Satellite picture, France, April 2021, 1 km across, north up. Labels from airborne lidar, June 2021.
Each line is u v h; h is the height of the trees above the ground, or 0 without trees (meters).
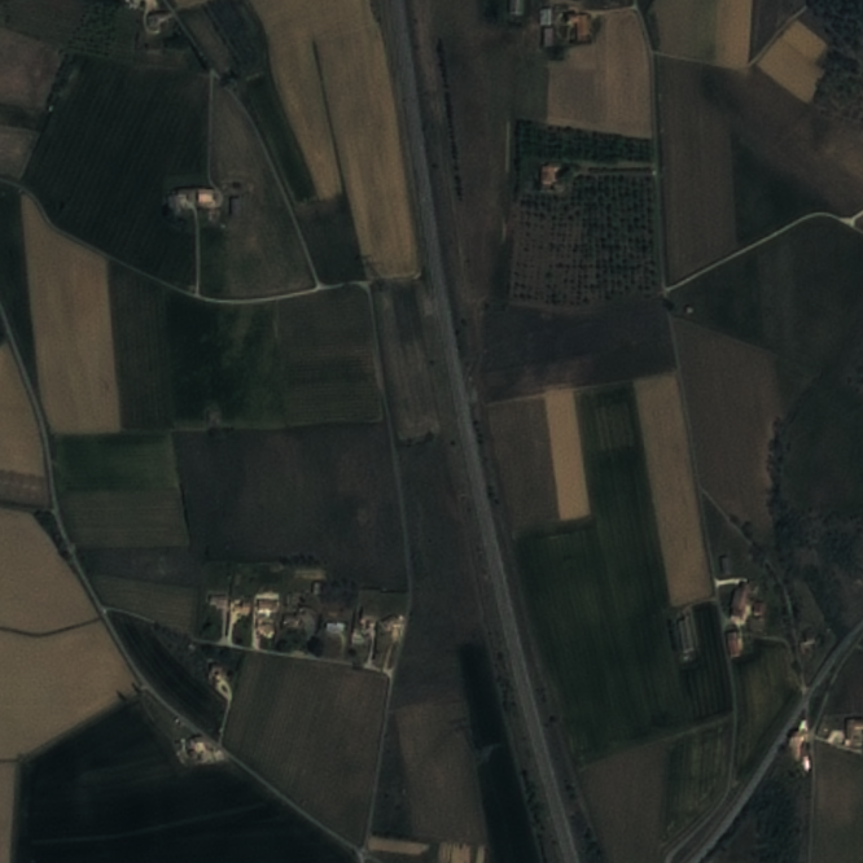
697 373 0
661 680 0
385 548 0
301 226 0
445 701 0
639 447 0
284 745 0
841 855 0
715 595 0
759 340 0
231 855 0
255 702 0
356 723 0
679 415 0
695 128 0
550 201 7
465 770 0
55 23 0
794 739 0
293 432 0
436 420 0
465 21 0
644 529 0
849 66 8
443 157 0
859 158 0
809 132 0
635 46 0
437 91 0
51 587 0
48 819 0
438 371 0
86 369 0
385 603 0
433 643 0
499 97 0
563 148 8
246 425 0
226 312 0
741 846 0
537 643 0
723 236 0
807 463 0
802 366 0
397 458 0
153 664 0
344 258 0
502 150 0
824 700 0
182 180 0
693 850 0
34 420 0
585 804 0
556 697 0
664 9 0
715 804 0
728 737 0
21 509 0
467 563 0
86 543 0
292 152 0
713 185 0
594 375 0
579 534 0
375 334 0
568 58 0
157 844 0
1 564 0
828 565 6
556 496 0
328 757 0
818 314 0
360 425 0
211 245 0
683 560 0
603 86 0
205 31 0
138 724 0
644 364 0
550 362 0
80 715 0
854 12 10
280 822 0
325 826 0
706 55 0
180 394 0
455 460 0
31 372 0
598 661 0
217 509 0
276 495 0
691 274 0
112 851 0
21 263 0
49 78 0
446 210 0
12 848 0
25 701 0
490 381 0
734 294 0
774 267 0
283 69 0
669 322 0
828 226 0
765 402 0
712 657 0
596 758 0
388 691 0
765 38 0
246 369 0
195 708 0
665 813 0
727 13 0
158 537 0
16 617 0
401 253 0
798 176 0
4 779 0
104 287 0
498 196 0
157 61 0
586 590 0
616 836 0
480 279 0
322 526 0
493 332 0
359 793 0
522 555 0
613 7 0
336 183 0
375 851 0
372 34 0
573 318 0
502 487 0
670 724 0
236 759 0
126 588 0
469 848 0
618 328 0
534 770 0
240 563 0
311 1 0
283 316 0
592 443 0
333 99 0
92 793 0
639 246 6
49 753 0
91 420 0
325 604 6
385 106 0
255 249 0
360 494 0
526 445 0
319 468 0
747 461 0
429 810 0
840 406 0
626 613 0
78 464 0
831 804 0
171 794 0
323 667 0
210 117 0
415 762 0
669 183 0
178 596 0
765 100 0
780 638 0
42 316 0
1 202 0
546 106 0
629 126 0
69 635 0
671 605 0
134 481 0
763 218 0
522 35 0
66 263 0
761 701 0
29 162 0
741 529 6
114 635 0
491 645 0
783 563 8
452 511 0
